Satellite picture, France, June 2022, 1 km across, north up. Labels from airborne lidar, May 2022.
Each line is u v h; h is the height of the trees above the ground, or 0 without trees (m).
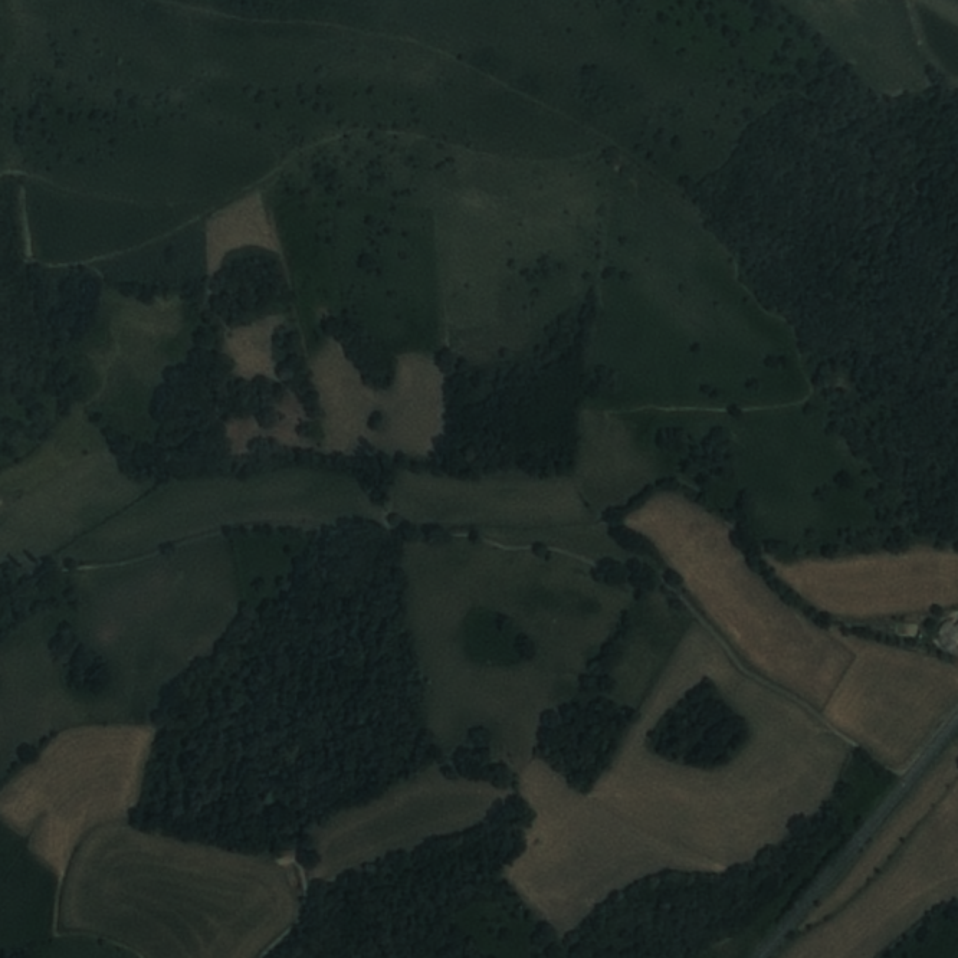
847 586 0
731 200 10
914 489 16
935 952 0
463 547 0
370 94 8
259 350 0
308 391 16
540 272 10
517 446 16
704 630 0
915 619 0
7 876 0
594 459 0
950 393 17
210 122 0
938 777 0
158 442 14
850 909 0
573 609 0
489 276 0
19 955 7
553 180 0
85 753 0
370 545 22
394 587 20
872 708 0
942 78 20
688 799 0
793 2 0
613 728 10
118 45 0
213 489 0
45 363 18
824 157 18
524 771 0
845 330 22
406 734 16
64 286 16
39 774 0
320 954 24
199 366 14
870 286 11
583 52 0
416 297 0
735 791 0
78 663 21
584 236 0
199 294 20
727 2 12
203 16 0
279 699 15
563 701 0
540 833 0
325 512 0
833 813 19
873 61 0
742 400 0
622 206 0
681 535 0
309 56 0
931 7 0
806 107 10
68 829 0
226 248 0
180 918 0
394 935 18
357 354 21
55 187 0
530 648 15
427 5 0
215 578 0
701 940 19
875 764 10
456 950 18
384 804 0
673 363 0
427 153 0
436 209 0
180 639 0
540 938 19
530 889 0
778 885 18
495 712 0
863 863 0
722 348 0
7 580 13
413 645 13
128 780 0
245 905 0
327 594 21
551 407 19
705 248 0
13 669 0
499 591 0
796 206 16
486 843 17
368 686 23
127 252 0
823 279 22
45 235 0
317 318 0
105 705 0
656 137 8
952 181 16
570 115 0
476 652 0
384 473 20
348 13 0
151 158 0
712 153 0
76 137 0
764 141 9
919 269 20
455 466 24
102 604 0
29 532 0
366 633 22
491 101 0
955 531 25
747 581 0
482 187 0
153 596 0
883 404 14
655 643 0
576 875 0
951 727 0
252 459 16
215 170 0
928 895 0
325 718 19
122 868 0
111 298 0
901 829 0
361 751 14
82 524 0
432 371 0
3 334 9
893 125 20
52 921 0
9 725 0
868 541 12
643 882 10
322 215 0
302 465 23
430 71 0
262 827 10
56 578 13
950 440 19
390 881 12
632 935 6
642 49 0
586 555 0
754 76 7
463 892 23
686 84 0
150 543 0
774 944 0
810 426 0
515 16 0
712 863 0
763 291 9
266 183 0
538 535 0
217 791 16
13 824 0
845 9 0
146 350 0
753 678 0
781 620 0
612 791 0
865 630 14
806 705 0
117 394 0
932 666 0
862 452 20
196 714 22
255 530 8
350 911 18
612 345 0
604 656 15
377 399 0
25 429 22
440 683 0
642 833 0
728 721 24
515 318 0
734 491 0
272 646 26
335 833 0
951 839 0
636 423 0
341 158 8
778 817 0
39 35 0
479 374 8
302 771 32
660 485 13
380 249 11
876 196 19
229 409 20
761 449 0
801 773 0
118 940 0
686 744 11
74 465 0
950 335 17
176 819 14
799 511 0
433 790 0
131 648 0
